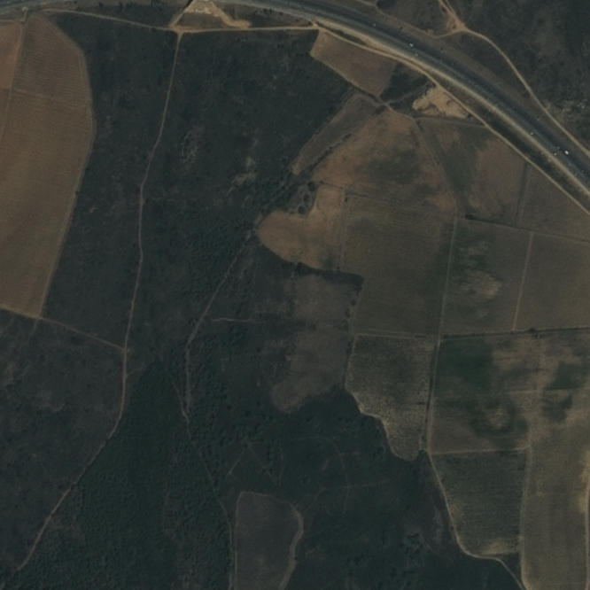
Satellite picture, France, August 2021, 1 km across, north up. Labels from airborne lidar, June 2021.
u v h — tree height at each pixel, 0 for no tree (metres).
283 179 10
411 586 11
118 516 7
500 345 0
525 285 0
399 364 0
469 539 0
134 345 0
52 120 0
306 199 7
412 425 0
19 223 0
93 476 7
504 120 0
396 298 0
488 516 0
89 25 0
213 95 0
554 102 0
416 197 0
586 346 0
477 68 0
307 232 0
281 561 0
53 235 0
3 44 0
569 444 0
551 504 0
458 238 0
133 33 0
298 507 0
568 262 0
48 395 0
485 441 0
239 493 0
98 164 0
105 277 0
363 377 0
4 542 0
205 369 9
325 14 0
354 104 0
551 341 0
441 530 0
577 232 0
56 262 0
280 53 0
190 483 11
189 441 10
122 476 6
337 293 0
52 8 0
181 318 0
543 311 0
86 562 9
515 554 0
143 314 0
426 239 0
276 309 0
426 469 0
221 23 0
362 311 0
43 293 0
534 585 0
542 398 0
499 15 0
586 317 0
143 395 7
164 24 0
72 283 0
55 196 0
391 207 0
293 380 0
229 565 12
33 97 0
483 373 0
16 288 0
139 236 0
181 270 0
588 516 0
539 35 0
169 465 6
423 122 0
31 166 0
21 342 0
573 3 0
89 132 0
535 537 0
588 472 0
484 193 0
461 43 0
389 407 0
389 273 0
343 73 0
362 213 0
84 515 6
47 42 0
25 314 0
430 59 0
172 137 0
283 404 0
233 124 0
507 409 0
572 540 0
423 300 0
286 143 0
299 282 0
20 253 0
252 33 0
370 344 0
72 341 6
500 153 0
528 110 0
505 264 0
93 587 8
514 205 0
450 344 0
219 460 14
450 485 0
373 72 0
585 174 0
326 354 0
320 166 0
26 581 9
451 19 0
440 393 0
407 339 0
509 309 0
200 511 9
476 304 0
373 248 0
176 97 0
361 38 0
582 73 0
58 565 9
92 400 0
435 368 0
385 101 0
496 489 0
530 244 0
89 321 0
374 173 0
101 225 0
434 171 0
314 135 0
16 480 0
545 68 0
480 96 0
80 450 0
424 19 0
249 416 17
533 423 0
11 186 0
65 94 0
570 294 0
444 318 0
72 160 0
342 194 0
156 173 0
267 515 0
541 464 0
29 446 0
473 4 0
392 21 0
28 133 0
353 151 0
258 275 0
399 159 0
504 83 0
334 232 0
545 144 0
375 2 0
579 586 0
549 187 0
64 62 0
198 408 10
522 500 0
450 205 0
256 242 5
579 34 0
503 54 0
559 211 0
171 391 5
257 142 0
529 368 0
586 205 0
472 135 0
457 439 0
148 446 6
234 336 11
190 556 6
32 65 0
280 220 0
